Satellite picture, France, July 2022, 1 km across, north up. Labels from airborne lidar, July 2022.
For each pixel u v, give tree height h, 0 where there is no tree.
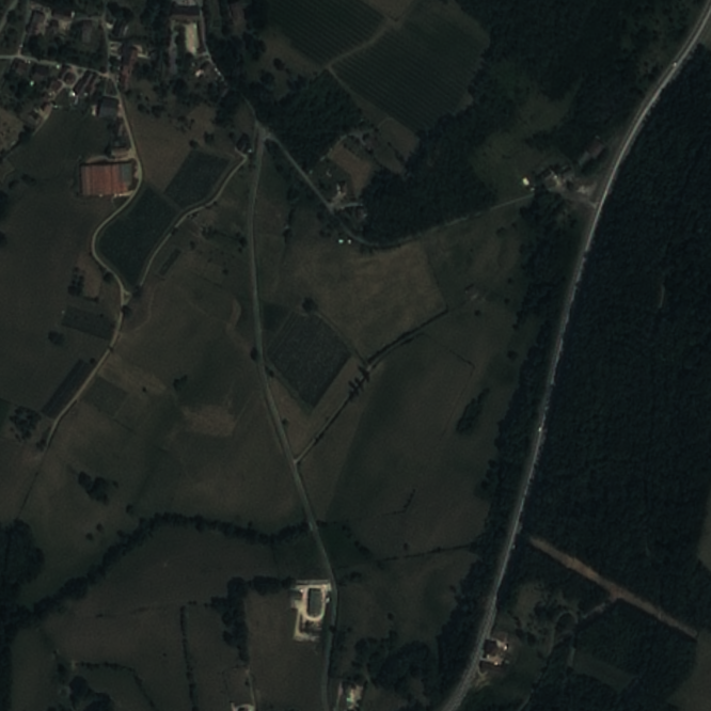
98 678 0
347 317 0
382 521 0
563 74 9
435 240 0
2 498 0
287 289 0
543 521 28
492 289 0
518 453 21
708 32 0
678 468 24
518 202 0
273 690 0
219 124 13
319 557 0
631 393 19
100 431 0
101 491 12
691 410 27
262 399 0
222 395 0
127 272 0
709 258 23
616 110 16
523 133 0
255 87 13
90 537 10
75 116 0
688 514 27
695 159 14
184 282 0
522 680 0
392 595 0
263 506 0
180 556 0
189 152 0
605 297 20
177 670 0
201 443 0
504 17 24
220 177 0
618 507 23
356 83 0
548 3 22
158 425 0
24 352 0
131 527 0
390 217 9
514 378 0
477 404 8
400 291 0
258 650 0
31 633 0
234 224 0
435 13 0
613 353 23
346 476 0
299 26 0
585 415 15
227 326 0
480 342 0
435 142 20
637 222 19
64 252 0
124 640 0
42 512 0
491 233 0
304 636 0
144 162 0
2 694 16
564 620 6
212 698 0
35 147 0
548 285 15
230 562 0
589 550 12
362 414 0
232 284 0
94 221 0
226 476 0
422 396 0
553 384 0
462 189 15
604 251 23
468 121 20
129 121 0
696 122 18
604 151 8
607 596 8
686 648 21
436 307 0
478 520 0
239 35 0
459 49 0
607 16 13
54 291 0
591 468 9
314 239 0
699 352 21
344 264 0
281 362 0
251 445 0
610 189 0
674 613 24
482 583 23
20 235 0
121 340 0
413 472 0
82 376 0
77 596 17
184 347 0
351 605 0
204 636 0
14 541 28
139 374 0
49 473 0
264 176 0
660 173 12
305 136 5
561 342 0
